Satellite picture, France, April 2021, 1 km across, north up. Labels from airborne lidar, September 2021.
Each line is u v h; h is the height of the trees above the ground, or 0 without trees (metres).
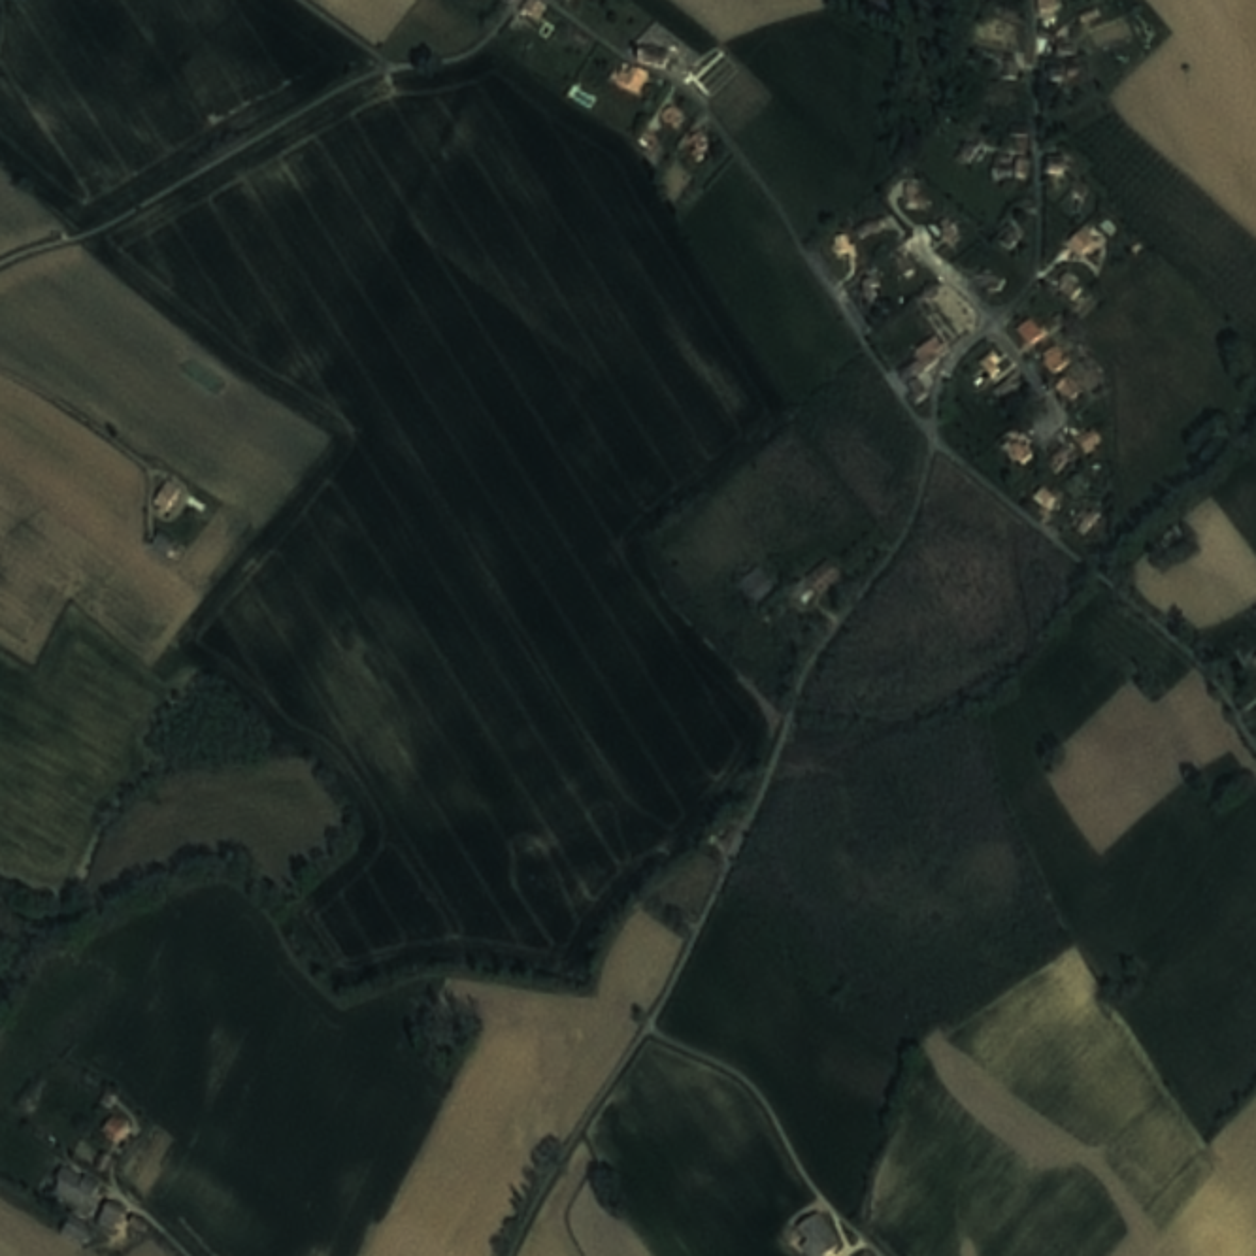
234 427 0
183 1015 0
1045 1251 0
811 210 0
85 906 20
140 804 14
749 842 12
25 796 0
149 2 0
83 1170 6
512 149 0
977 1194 0
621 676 0
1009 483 13
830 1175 0
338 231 0
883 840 11
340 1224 0
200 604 0
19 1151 0
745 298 0
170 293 0
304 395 0
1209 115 0
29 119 0
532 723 0
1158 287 0
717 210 0
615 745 0
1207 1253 0
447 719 0
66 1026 0
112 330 0
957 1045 0
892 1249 0
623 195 0
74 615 0
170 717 11
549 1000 0
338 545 0
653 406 0
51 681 0
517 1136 0
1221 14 0
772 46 0
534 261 0
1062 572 9
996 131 6
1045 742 0
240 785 0
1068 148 10
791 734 0
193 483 0
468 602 0
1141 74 0
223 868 23
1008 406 13
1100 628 0
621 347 0
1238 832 0
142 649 0
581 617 0
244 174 0
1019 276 0
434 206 0
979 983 14
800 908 10
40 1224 0
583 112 0
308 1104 0
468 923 0
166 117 0
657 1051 0
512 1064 0
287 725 0
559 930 0
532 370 0
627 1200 15
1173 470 0
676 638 0
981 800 10
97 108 0
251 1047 0
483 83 0
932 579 13
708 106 0
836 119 0
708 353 0
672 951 0
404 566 0
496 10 8
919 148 10
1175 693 0
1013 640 13
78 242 0
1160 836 0
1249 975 0
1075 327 15
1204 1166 0
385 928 0
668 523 15
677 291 0
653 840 0
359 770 0
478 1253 0
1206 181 0
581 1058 0
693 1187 0
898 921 5
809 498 12
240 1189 0
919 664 12
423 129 0
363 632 0
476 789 0
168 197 0
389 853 0
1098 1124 0
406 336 0
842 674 13
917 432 7
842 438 14
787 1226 0
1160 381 0
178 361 0
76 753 0
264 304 0
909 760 13
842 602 17
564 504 0
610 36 0
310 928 0
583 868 0
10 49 0
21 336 0
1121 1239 0
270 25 0
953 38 17
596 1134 0
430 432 0
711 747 0
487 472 0
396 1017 0
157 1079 0
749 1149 0
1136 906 0
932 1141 0
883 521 10
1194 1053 0
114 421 0
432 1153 0
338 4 0
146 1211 0
